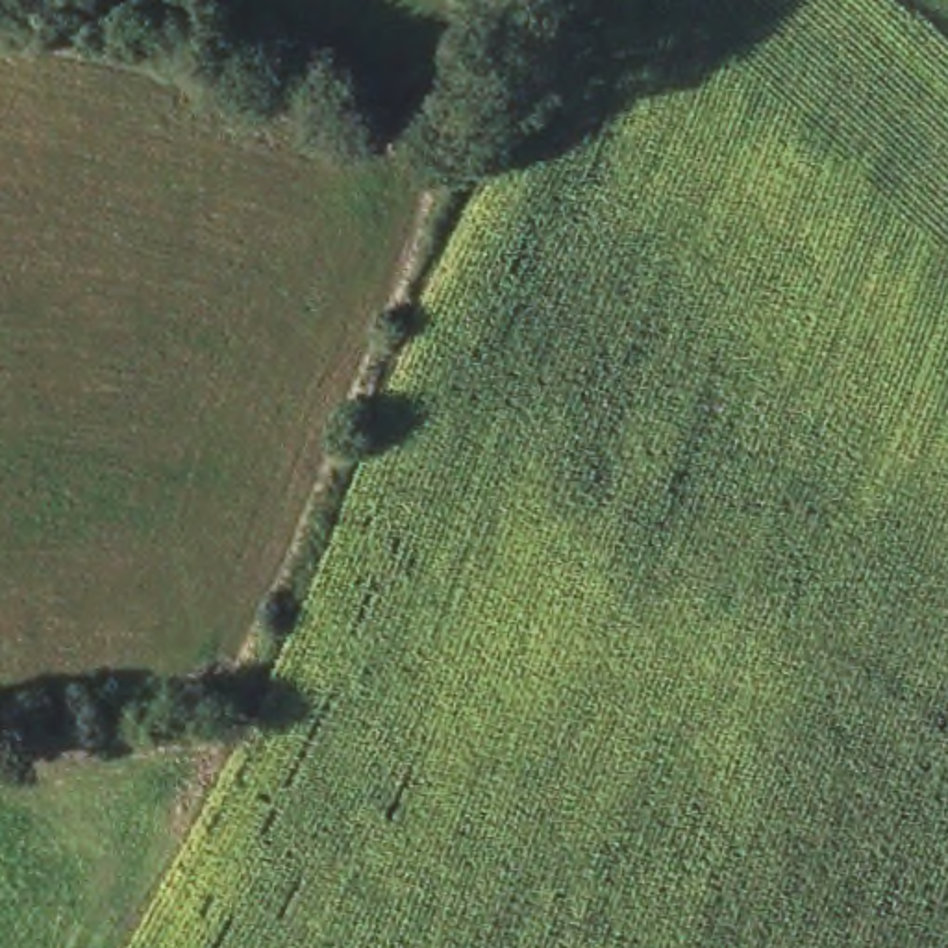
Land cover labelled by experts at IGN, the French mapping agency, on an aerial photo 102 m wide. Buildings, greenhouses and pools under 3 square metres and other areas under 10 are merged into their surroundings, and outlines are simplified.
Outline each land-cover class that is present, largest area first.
<instances>
[{"label":"agricultural land","instance_id":"1","mask_svg":"<svg viewBox=\"0 0 948 948\"><path fill-rule=\"evenodd\" d=\"M218 7L211 30H222L241 48H259L274 63V70L289 74L296 85L307 74V67H330L341 78H348L352 96L344 100V111H359L374 152L370 170L363 174L326 170L322 163H315L296 144V133L289 130V111L274 119H248L244 130H233L222 115L196 111L181 89L163 85L141 70L81 63V52L74 48H19L0 56V685L30 681L41 674L93 670H152L170 678H204V689L215 700L233 704L252 722V730H244L237 744L181 737L170 744L130 748V755L119 759L63 752L59 759H41L33 767V785L0 781V948H948V0H593V7L578 19V33L585 41L589 59L578 70L574 93L548 115L541 130L515 137L507 148L485 156V170L493 178L478 189L474 200L463 207V218L448 237L437 270L426 281L422 304H407V285L430 244L433 215L452 200V193H418L396 170V137L433 89L437 41L448 26L444 15H422L430 0H204ZM370 318H385L411 337V344L400 352L389 374L385 396H374L378 356L367 348ZM348 400L359 404L356 426L367 437L363 448L370 459L359 463L348 485L341 522L333 526L330 548L322 552L318 570L307 585L300 622L285 637L270 630V604L289 585V570L307 541L311 518L322 511L330 478L344 463L341 455L322 459V422L330 407Z\"/></svg>","mask_w":948,"mask_h":948},{"label":"deciduous trees","instance_id":"2","mask_svg":"<svg viewBox=\"0 0 948 948\"><path fill-rule=\"evenodd\" d=\"M218 7L204 0H0V56L19 48H74L81 52V63L141 70L163 85L181 89L196 111L222 115L233 130H244L248 119H274L289 111V130L296 133V144L315 163H322L326 170L363 174L370 170L374 152L359 111H344V100L352 96L348 78H341L330 67H307V74L296 85L289 74L274 70V63L259 48H241L222 30H211ZM593 7V0H430L422 15H444L448 26L437 41L433 89L396 137V170L418 193H452L463 189V181H474L478 189L493 178L485 170V156L507 148L515 137L541 130L548 115L574 93L578 70L589 59L585 41L578 33V19Z\"/></svg>","mask_w":948,"mask_h":948},{"label":"brushwood","instance_id":"3","mask_svg":"<svg viewBox=\"0 0 948 948\"><path fill-rule=\"evenodd\" d=\"M478 189L474 181H463V189L452 193V200L433 215L430 244L407 285V304H422L426 281L437 270L448 237L463 218V207L474 200ZM411 344V337L385 318H370L367 348L378 356L374 396H385L389 374L400 352ZM359 404L348 400L330 407L322 422V459L341 455L344 463L330 478L322 511L311 518L307 541L289 570V585L270 604V630L285 637L300 622L307 585L318 570L322 552L330 548L333 526L341 522L348 485L359 463L370 459L363 448L367 437L356 426ZM244 730H252V722L233 704L215 700L204 689V678H170L152 670H93L41 674L30 681L0 685V781L33 785V767L41 759H59L63 752L119 759L130 755V748L170 744L181 737L237 744Z\"/></svg>","mask_w":948,"mask_h":948}]
</instances>
